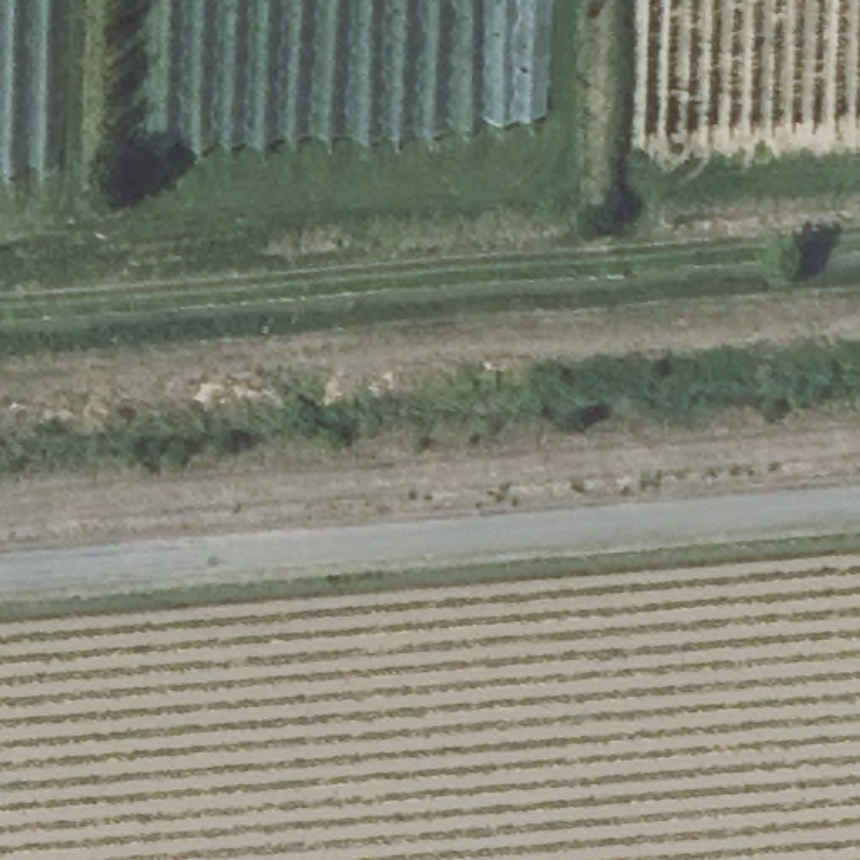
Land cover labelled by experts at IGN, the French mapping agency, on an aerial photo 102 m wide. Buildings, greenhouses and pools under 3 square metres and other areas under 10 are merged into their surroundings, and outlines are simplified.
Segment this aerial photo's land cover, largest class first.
<instances>
[{"label":"vineyard","instance_id":"1","mask_svg":"<svg viewBox=\"0 0 860 860\"><path fill-rule=\"evenodd\" d=\"M87 0H0V188L13 178H27L30 171L37 181H47V165L60 168L64 158L81 151V60ZM108 97L101 124V155L111 175L104 185L114 208L138 205L141 198L158 195L178 175H185L195 151L212 155L218 144L232 151L252 144L279 151L282 141L309 144V138L343 141L346 134H353L356 144H370V134L390 131V141H400V148H410L417 138H423L427 151H437V141L447 138L450 128H457L460 141L470 144V128L484 131L487 124H524L544 114L548 67L554 64H561L564 71L578 67L585 77L591 74V67L611 71L608 165H628V155L635 148L648 151L662 168H675L695 155H739L742 165H766L786 151H860V0H108ZM0 860H860V531L732 544H685L591 558H527L501 564L195 585L104 598H0Z\"/></svg>","mask_w":860,"mask_h":860},{"label":"herbaceous vegetation","instance_id":"2","mask_svg":"<svg viewBox=\"0 0 860 860\"><path fill-rule=\"evenodd\" d=\"M611 71L591 67V74L585 77L578 67L564 71L561 64H554L548 67L544 114L524 124H487L484 131L470 128V144L460 141L457 128H450L447 138L437 141V151H427L423 138H417L410 148H400V141H390V131L370 134V144H356L353 134H346L343 141L309 138V144L282 141L279 151L252 144L232 151L218 144L212 155L195 151L185 175H178L158 195L141 198L138 205L114 208L104 185H97L91 175L81 178V151L64 158L60 168L47 165V181H37L30 171L27 178H13L0 188V423L24 437H30L37 423L47 420H64L84 433H94L104 430L111 410L124 403L165 400L188 406L198 400L208 406L212 417L232 420L242 400L282 406L279 390H259V366H289L312 373L326 383L323 403H336L370 393H420L430 373L440 370L457 376L460 363H477L484 376L504 373L507 380L521 383L527 380V370L541 359L568 363L588 356L645 353L658 359L665 353H702L753 343L789 346L803 339H860V151H786L766 165H742L739 155H695L675 168H662L648 151L635 148L628 155V165H608ZM601 202L611 208V218L628 228V235L608 239V252H591V239L585 235L581 218L591 205ZM776 232H796V272L810 275V286L789 296L746 292L742 282H736V275H742L756 259V249L746 239ZM581 420L588 427L585 433L548 430L534 440L470 447L450 454L430 450L433 437L413 440V427L383 430L373 440H356V427H343V447H329L326 440L309 437H282L269 447H255V433L232 430L228 450L235 457H218L205 447L188 460L185 470L148 474L141 467H124L87 477H7L0 484V558L7 551H71L151 538L356 527L380 521L396 524L443 517H501L514 511L544 514L605 507L621 501H655V494L662 501H699L736 494L860 487V410H847L840 420H820L816 410H789L783 420L769 423L749 406H702L699 423L692 430H675L652 423V417L638 410L632 400L591 403L581 410Z\"/></svg>","mask_w":860,"mask_h":860},{"label":"deciduous trees","instance_id":"3","mask_svg":"<svg viewBox=\"0 0 860 860\"><path fill-rule=\"evenodd\" d=\"M108 0H87L81 60V178L91 175L97 185H104L111 175L101 155V124L108 97ZM585 235L591 239V252H608V239L628 235V228L611 218V208L601 202L591 205L581 218ZM796 232H776L746 239L756 249V259L742 275H736V282H742L746 292L789 296L810 286V275L796 272ZM259 390H279L282 406L242 400L232 420L212 417L208 406L198 400L188 406L165 400L124 403L111 410L104 430L94 433H84L64 420H47L37 423L30 437H24L0 423V484L7 477H87L124 467H141L148 474L185 470L188 460L205 447L218 457H235L228 450L232 430L255 433V447H269L282 437H309L326 440L329 447H343V427H356V440H373L383 430L413 427V440L433 437L430 450L450 454L470 447L534 440L548 430L585 433L588 427L581 420V410L591 403L632 400L638 410L652 417V423L675 430H692L699 423L702 406H749L769 423L783 420L789 410H816L820 420H840L847 410H860V339H803L789 346L753 343L702 353H665L658 359L645 353L588 356L568 363L541 359L527 370V380L521 383L507 380L504 373L484 376L477 363H460L457 376L440 370L430 373L420 393H370L336 403H323L326 383L312 373L289 366H259Z\"/></svg>","mask_w":860,"mask_h":860},{"label":"impervious surface","instance_id":"4","mask_svg":"<svg viewBox=\"0 0 860 860\"><path fill-rule=\"evenodd\" d=\"M860 531V487L736 494L699 501H662L655 494V501H621L605 507L544 514L514 511L501 517H443L396 524L380 521L356 527L151 538L71 551H7L0 558V598H104L195 585L501 564L527 558H591L685 544H732Z\"/></svg>","mask_w":860,"mask_h":860}]
</instances>
